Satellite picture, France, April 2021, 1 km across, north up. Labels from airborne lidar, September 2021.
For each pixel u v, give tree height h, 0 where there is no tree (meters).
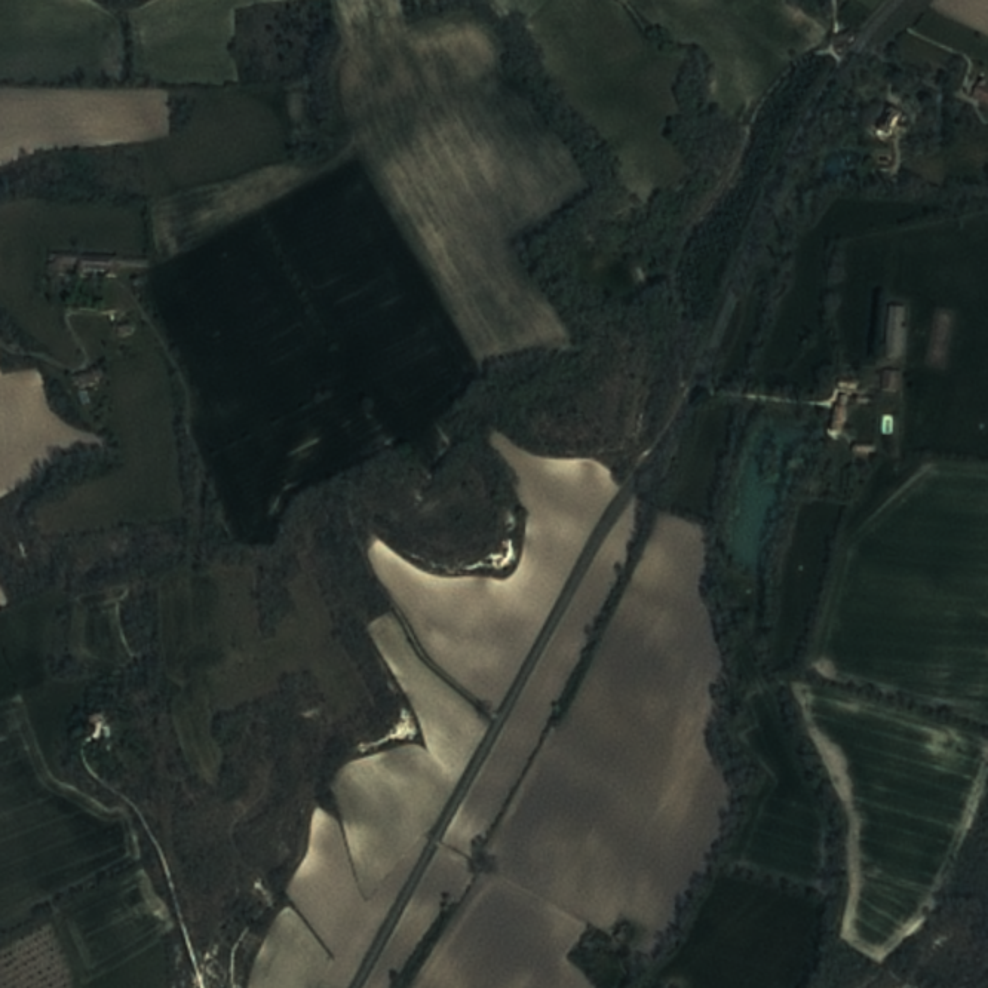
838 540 7
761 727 0
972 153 0
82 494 0
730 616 13
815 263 0
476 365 0
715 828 0
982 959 9
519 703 0
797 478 15
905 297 0
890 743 0
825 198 24
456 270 0
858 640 0
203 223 0
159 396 0
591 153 14
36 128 0
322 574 14
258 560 11
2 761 0
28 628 0
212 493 10
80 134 0
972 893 9
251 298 0
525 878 0
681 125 14
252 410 0
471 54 0
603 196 17
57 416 7
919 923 0
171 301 0
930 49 0
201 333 0
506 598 0
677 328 20
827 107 13
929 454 9
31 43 0
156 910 0
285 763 10
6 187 16
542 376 13
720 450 0
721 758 20
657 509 20
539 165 0
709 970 0
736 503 13
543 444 7
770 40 0
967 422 0
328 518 15
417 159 0
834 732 0
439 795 0
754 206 11
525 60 18
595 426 8
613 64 0
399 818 0
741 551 0
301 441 0
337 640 13
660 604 0
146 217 9
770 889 11
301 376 0
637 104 0
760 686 0
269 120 0
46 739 0
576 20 0
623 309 16
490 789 0
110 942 0
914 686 0
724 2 0
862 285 0
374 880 0
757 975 0
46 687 0
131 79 21
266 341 0
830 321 8
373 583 18
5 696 0
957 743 0
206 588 0
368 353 0
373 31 0
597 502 0
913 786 0
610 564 0
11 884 0
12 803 0
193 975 0
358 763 0
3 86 7
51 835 0
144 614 12
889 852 0
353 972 0
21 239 0
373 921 0
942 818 0
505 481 20
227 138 0
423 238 0
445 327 0
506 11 0
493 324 0
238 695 0
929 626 0
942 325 0
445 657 0
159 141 0
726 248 12
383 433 0
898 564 0
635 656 0
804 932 0
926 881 0
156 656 15
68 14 0
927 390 0
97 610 0
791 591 0
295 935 0
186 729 0
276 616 13
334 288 0
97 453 13
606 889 0
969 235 0
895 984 0
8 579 13
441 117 0
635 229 7
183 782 12
